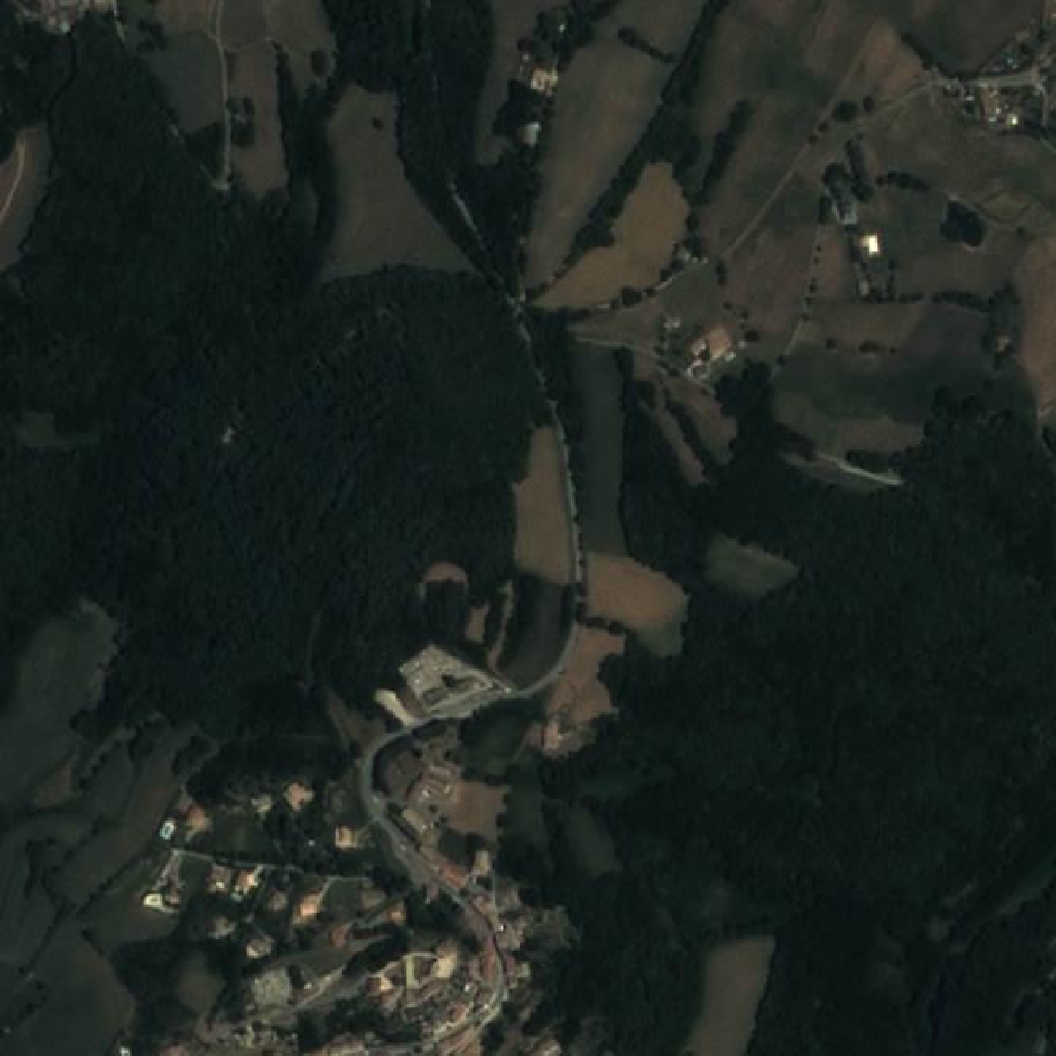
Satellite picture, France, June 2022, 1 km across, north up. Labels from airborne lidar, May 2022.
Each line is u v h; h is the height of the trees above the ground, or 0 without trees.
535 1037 15
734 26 0
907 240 0
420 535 10
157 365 20
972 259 0
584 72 0
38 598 22
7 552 20
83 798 0
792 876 24
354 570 15
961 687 21
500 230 19
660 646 0
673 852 13
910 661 19
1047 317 0
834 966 22
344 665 16
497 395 16
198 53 0
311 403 21
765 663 19
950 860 22
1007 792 21
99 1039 0
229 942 8
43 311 24
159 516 32
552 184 0
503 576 11
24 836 0
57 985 0
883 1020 21
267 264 18
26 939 0
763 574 0
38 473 21
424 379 18
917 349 0
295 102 17
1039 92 0
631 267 0
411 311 21
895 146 0
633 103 0
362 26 17
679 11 0
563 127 0
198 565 24
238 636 29
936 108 0
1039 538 18
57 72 14
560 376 17
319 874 16
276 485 24
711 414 0
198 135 11
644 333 0
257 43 0
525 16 0
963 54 0
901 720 17
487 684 0
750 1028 0
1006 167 0
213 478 25
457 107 14
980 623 20
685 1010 18
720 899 0
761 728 9
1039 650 23
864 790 15
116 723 12
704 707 8
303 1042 13
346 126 0
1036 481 20
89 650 0
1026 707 20
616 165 0
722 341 0
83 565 11
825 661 13
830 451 0
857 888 22
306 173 13
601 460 0
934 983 18
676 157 13
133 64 11
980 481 20
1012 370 0
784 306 0
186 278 18
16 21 15
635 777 0
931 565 17
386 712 11
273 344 24
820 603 22
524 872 17
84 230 19
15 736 0
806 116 0
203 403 29
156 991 10
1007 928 19
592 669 0
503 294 16
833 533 23
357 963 11
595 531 0
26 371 19
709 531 18
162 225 20
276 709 7
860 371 0
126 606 22
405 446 19
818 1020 21
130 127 20
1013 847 16
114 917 0
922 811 19
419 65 16
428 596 9
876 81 0
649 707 14
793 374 0
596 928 14
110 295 20
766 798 12
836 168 15
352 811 0
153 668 19
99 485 18
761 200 0
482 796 0
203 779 10
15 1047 0
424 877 0
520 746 0
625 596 0
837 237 0
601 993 14
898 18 0
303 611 19
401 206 0
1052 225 0
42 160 0
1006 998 25
